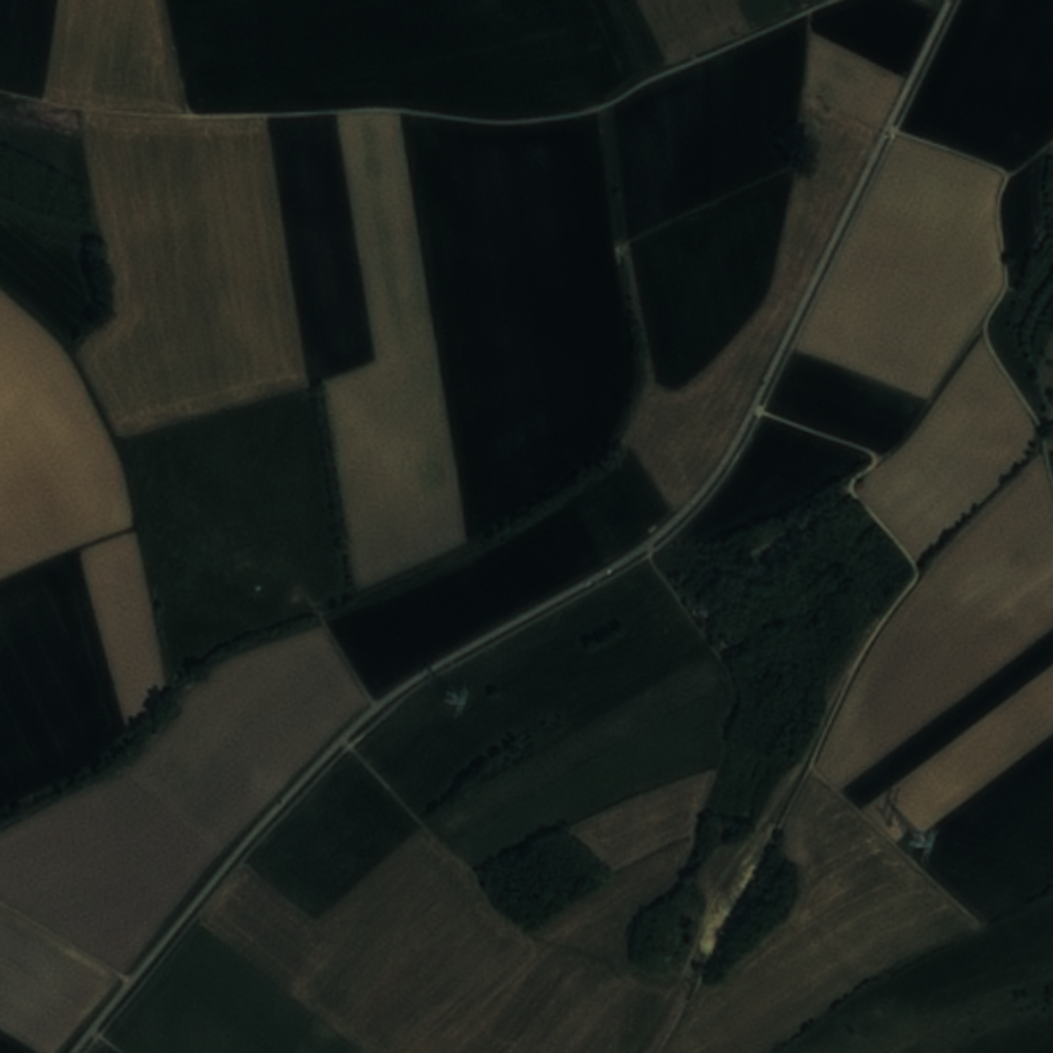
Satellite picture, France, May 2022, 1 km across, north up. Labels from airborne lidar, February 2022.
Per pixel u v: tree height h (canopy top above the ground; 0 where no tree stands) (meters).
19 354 0
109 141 0
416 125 0
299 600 0
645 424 0
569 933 0
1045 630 0
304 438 0
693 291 0
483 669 0
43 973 0
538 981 0
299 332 0
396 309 0
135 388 0
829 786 0
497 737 0
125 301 0
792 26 0
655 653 0
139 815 0
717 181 0
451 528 0
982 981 0
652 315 0
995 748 0
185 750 0
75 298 0
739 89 0
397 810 0
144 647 0
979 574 0
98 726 0
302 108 0
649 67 0
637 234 0
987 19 0
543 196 0
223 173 0
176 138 0
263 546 0
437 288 0
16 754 0
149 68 0
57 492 0
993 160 0
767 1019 0
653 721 0
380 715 0
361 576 0
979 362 0
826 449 0
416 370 0
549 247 0
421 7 0
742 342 0
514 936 0
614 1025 0
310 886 0
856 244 0
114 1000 0
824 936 0
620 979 0
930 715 0
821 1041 0
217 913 0
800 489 0
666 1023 0
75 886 0
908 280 0
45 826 0
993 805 0
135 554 0
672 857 0
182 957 0
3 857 0
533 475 0
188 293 0
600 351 0
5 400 0
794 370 0
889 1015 0
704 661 0
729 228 0
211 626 0
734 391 0
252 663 0
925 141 0
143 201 0
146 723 9
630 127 0
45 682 0
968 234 0
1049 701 0
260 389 0
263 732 0
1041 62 0
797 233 0
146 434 0
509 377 0
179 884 0
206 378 0
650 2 0
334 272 0
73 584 0
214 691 0
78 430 0
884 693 0
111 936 0
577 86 0
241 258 0
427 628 0
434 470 0
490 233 0
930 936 0
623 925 0
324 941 0
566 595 0
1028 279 10
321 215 0
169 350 0
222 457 0
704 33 0
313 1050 0
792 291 0
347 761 0
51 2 0
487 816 0
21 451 0
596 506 0
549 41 0
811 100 0
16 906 0
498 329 0
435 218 0
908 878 0
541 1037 0
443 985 0
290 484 0
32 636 0
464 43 0
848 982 0
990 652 0
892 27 0
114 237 0
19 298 0
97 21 0
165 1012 0
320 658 0
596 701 0
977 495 0
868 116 0
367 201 0
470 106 0
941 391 0
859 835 0
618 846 0
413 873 0
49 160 0
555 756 0
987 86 0
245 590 0
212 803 0
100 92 0
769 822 0
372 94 0
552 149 0
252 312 0
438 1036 0
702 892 0
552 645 0
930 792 0
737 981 0
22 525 0
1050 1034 0
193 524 0
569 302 0
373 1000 0
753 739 0
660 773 0
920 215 0
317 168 0
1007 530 0
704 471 0
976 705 0
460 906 0
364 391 0
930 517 0
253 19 0
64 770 0
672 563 0
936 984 0
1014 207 0
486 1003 0
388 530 0
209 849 0
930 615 0
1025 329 8
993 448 0
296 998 0
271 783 0
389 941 0
